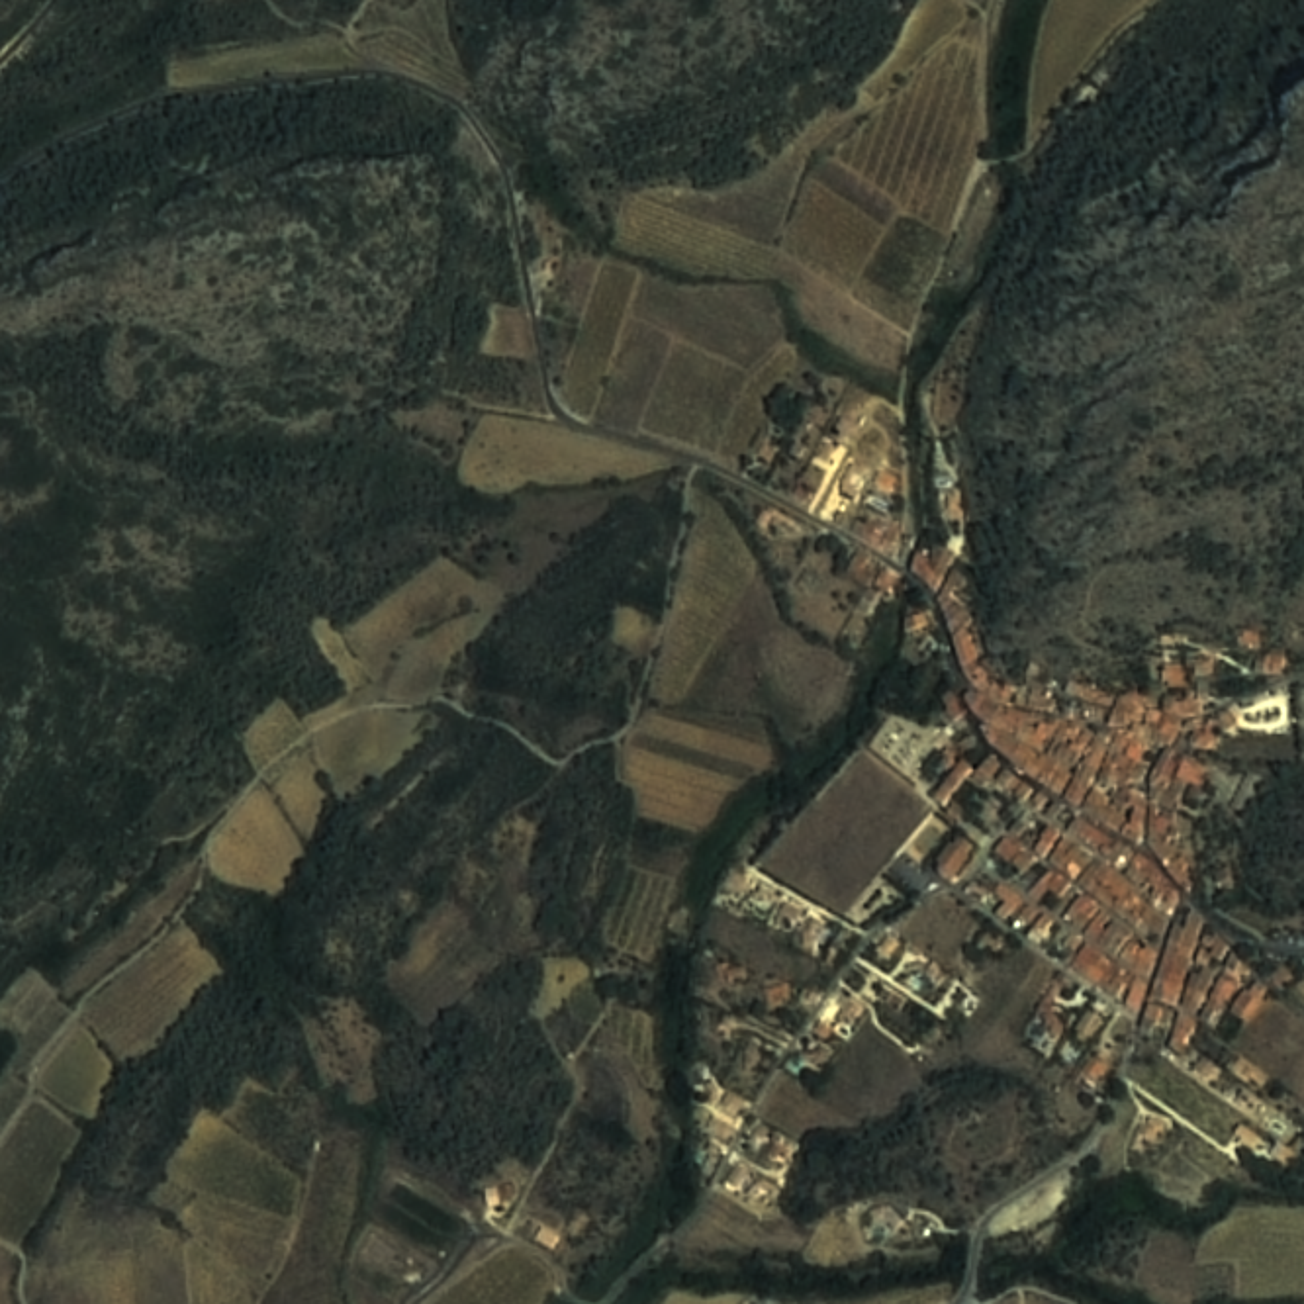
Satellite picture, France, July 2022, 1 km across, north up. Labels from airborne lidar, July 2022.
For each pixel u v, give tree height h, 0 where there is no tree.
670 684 0
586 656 7
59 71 13
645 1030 0
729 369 0
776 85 9
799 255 0
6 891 11
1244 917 0
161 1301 0
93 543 0
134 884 10
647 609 7
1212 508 0
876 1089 0
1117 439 0
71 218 8
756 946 0
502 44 0
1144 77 7
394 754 0
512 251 9
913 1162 0
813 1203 6
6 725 0
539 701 8
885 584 0
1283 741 0
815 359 6
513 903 0
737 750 0
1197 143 12
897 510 7
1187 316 0
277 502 6
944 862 0
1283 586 6
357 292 7
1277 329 0
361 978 6
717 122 8
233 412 6
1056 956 6
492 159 0
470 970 0
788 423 17
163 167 9
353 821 10
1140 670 6
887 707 7
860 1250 0
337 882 11
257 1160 0
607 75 0
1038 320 7
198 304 0
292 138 17
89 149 7
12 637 0
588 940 6
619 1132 6
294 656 7
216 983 9
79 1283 0
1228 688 10
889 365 0
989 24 0
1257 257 0
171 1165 0
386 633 0
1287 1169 9
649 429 0
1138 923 0
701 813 0
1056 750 0
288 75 0
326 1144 0
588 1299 6
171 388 0
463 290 7
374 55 0
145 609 0
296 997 8
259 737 0
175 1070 8
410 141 8
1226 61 7
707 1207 0
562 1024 0
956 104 0
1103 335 0
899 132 0
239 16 9
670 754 0
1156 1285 0
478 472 0
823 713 0
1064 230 10
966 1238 5
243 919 11
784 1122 0
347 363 7
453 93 0
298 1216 0
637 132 7
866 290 0
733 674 0
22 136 10
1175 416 0
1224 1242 0
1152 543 0
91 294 0
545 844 7
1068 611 0
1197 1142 0
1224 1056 7
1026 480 11
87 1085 0
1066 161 11
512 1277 0
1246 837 9
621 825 8
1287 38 16
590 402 0
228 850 0
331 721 0
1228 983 0
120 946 0
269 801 0
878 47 10
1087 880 0
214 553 0
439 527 11
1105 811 0
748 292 0
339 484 13
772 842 11
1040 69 0
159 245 0
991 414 0
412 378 9
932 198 0
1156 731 0
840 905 0
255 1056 9
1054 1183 0
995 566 8
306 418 0
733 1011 6
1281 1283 0
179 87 0
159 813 0
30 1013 0
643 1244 6
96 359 9
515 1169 0
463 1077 9
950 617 0
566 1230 0
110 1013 0
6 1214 0
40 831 12
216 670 9
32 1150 0
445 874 13
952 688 13
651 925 0
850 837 0
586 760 11
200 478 8
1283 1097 11
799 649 0
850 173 0
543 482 0
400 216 9
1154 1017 0
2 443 0
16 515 0
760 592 0
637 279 0
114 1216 0
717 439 0
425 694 0
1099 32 0
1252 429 6
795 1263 9
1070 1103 0
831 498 0
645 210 0
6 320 0
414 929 11
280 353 0
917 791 0
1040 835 0
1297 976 7
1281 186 0
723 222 0
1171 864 0
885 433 0
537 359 0
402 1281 0
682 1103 17
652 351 0
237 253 0
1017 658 8
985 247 6
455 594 0
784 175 0
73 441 0
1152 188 10
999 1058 0
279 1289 0
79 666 7
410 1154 12
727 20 0
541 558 0
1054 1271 10
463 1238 0
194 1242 0
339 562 10
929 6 0
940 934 0
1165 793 0
